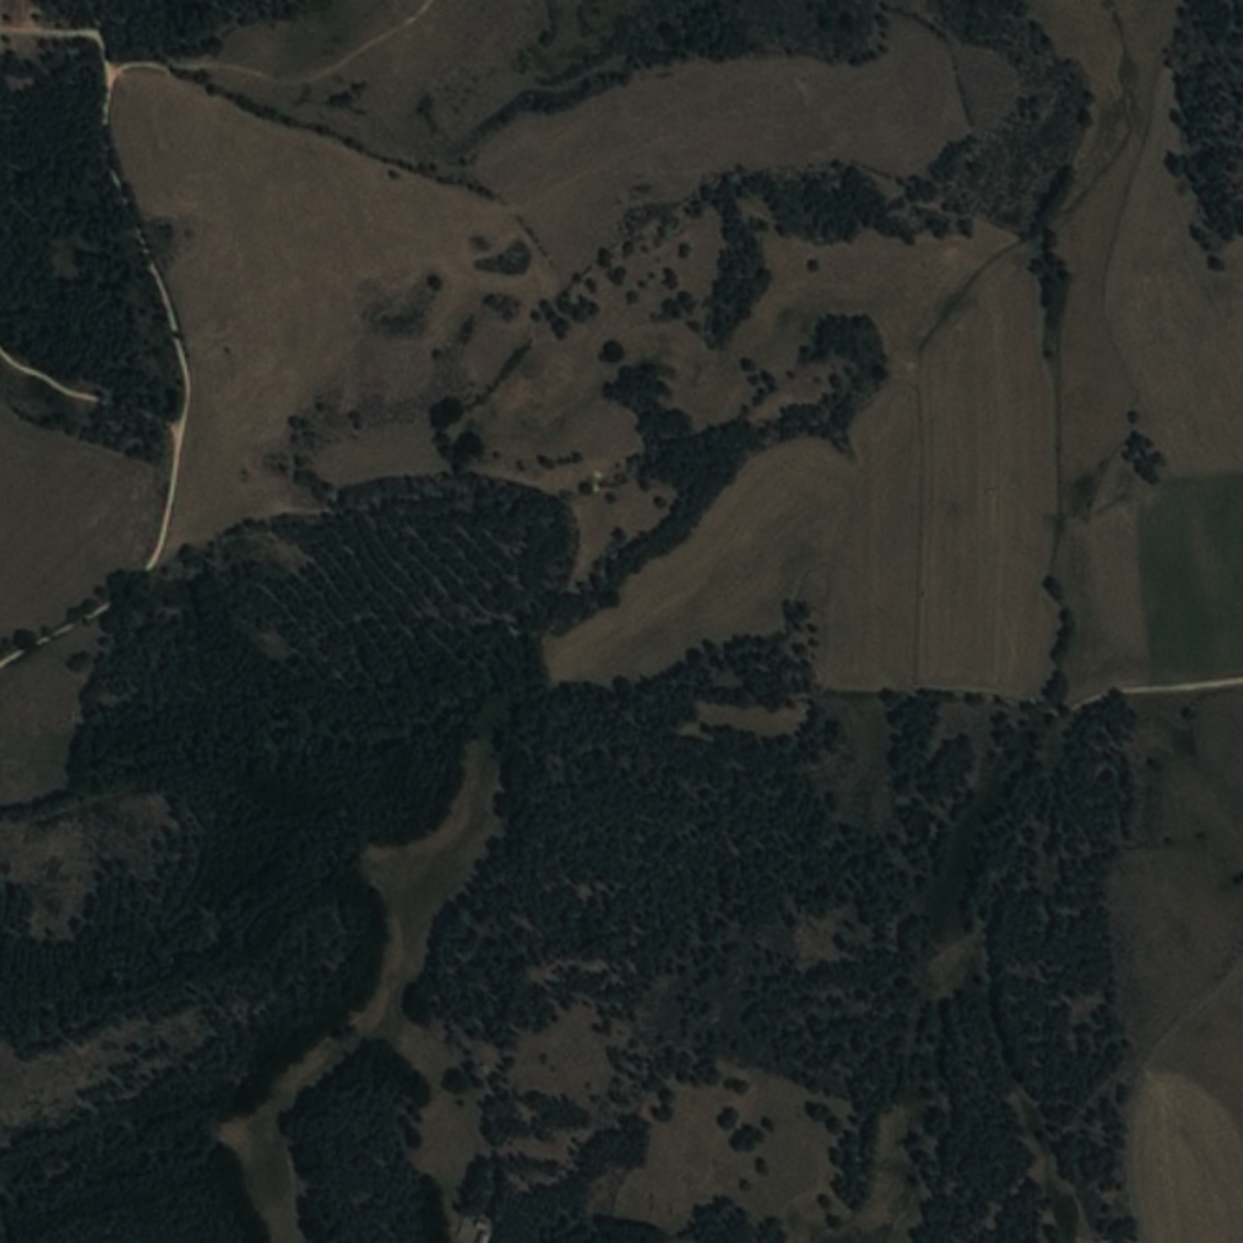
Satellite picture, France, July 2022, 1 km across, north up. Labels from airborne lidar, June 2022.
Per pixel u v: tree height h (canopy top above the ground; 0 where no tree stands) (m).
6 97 17
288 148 0
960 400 0
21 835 0
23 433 0
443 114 0
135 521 0
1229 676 0
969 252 0
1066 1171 13
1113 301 0
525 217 0
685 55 9
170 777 26
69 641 0
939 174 11
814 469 0
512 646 24
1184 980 0
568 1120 16
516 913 22
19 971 26
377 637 20
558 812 19
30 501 0
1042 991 17
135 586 18
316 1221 16
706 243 0
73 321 25
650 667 0
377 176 0
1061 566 0
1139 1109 0
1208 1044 0
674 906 20
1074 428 0
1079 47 0
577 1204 19
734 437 15
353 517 11
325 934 18
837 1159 15
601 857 16
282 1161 0
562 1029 0
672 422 18
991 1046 19
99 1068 0
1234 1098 0
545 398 0
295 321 0
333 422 0
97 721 8
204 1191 17
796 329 0
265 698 26
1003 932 21
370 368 0
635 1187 0
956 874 0
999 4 14
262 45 0
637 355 0
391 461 0
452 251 0
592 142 0
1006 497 0
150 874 0
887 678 0
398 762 17
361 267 0
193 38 17
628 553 15
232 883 18
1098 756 15
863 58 6
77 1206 16
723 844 17
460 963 22
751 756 20
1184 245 0
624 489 0
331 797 21
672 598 0
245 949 21
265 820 18
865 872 19
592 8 0
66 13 12
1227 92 17
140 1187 20
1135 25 0
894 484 0
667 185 0
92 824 0
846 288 0
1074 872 12
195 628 17
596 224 0
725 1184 0
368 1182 18
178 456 0
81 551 0
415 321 0
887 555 0
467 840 0
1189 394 0
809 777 8
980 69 0
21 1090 0
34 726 0
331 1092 22
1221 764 0
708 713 0
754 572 0
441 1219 20
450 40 0
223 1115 23
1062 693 11
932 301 0
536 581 14
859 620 0
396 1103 12
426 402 0
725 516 0
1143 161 0
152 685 10
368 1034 0
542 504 17
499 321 0
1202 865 0
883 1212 0
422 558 18
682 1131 0
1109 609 0
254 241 0
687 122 0
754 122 0
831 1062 17
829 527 0
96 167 16
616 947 12
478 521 19
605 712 19
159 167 0
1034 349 0
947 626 0
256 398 0
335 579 17
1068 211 0
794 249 0
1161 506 0
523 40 0
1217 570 0
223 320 0
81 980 21
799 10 0
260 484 0
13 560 0
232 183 0
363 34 0
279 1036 21
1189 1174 0
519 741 10
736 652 18
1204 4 15
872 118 0
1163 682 0
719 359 0
